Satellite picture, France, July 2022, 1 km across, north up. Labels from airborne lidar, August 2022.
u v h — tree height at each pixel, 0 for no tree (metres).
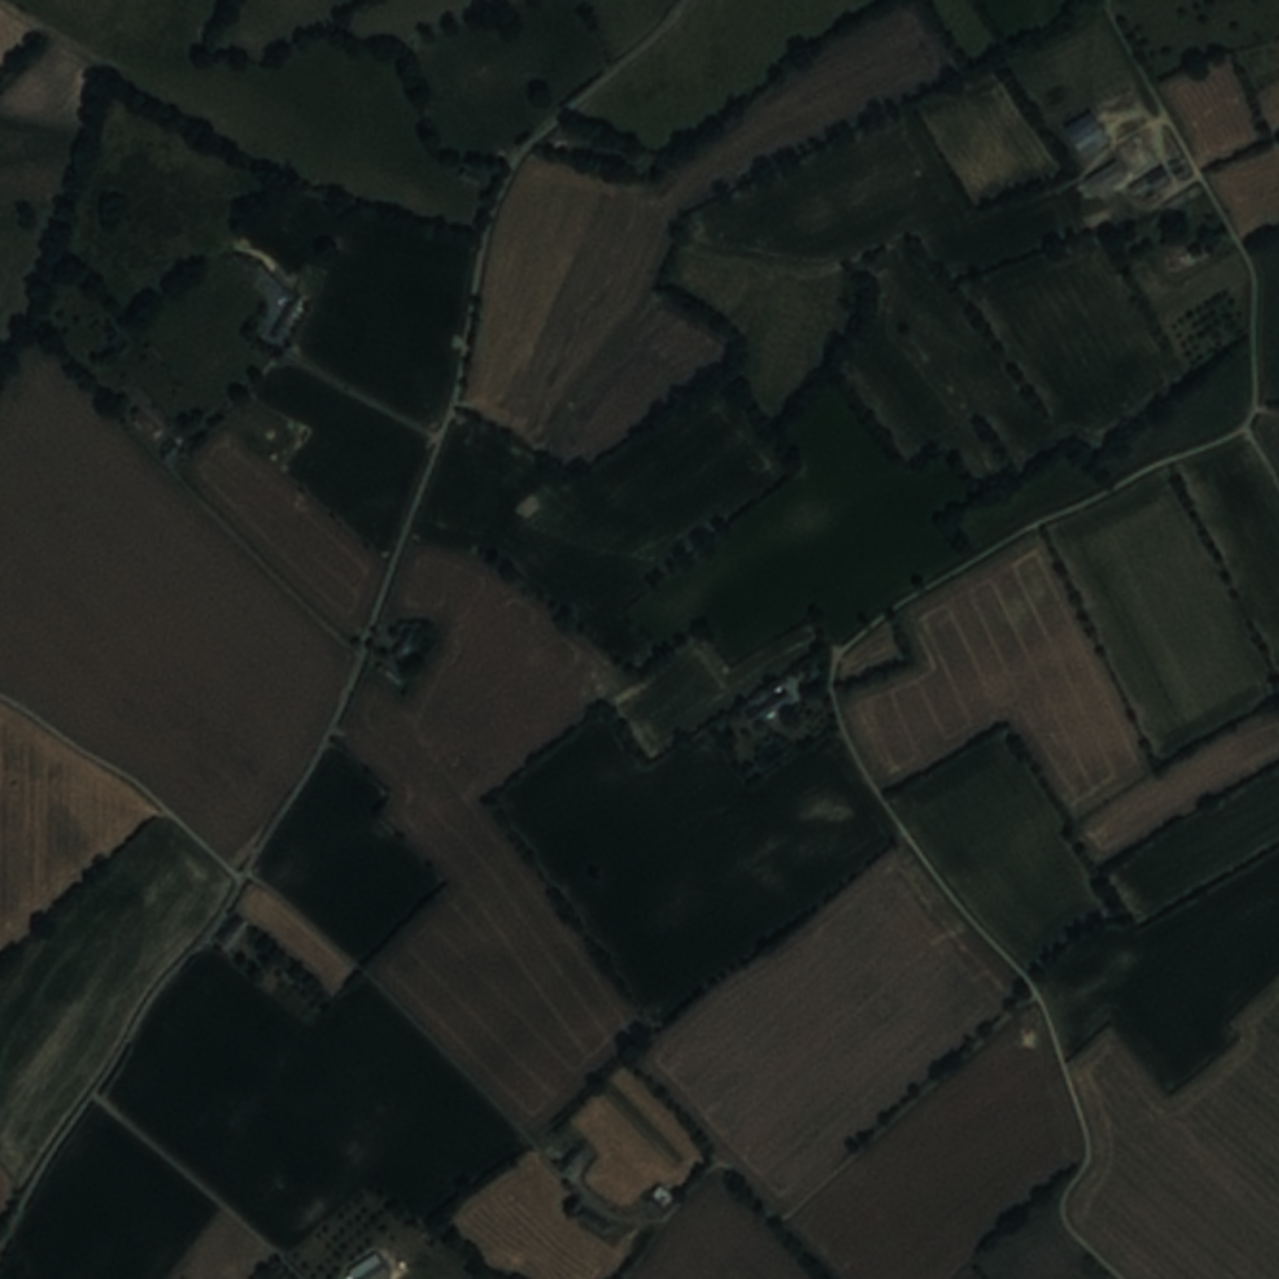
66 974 0
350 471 0
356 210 19
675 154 14
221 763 0
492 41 0
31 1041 0
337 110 0
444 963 0
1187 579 0
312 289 0
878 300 12
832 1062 0
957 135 0
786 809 0
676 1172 0
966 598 0
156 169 0
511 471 0
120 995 0
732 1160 0
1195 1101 0
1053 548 6
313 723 0
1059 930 0
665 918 0
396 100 0
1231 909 0
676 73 0
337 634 0
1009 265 6
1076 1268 0
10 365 23
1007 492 18
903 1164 0
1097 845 0
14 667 0
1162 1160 0
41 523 0
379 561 0
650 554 0
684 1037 0
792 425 9
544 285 0
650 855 0
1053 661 0
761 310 0
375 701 0
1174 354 24
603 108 0
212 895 0
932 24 11
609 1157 0
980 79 11
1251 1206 0
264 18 0
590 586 0
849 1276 0
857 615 0
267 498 0
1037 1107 0
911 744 0
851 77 0
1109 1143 0
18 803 0
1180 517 0
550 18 0
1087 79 0
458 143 0
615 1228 0
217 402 0
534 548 0
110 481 0
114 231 12
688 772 0
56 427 0
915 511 0
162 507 0
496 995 0
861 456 0
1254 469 0
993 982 0
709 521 0
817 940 0
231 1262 0
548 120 0
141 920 0
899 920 0
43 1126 0
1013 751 9
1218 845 0
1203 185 0
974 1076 0
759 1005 0
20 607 0
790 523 0
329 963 0
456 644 0
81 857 0
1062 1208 0
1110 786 0
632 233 0
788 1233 10
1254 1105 0
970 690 0
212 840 0
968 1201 0
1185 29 0
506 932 0
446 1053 0
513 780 6
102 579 0
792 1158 0
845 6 0
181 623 0
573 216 0
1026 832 0
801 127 0
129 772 0
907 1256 0
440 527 0
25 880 0
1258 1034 0
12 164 0
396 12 0
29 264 0
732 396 16
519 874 0
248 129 0
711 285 0
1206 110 0
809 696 12
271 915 0
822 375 9
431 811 0
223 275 0
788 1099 0
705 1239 0
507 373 0
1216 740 8
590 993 0
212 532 0
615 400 0
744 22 0
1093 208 0
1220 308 7
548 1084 0
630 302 0
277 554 0
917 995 0
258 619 0
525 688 0
